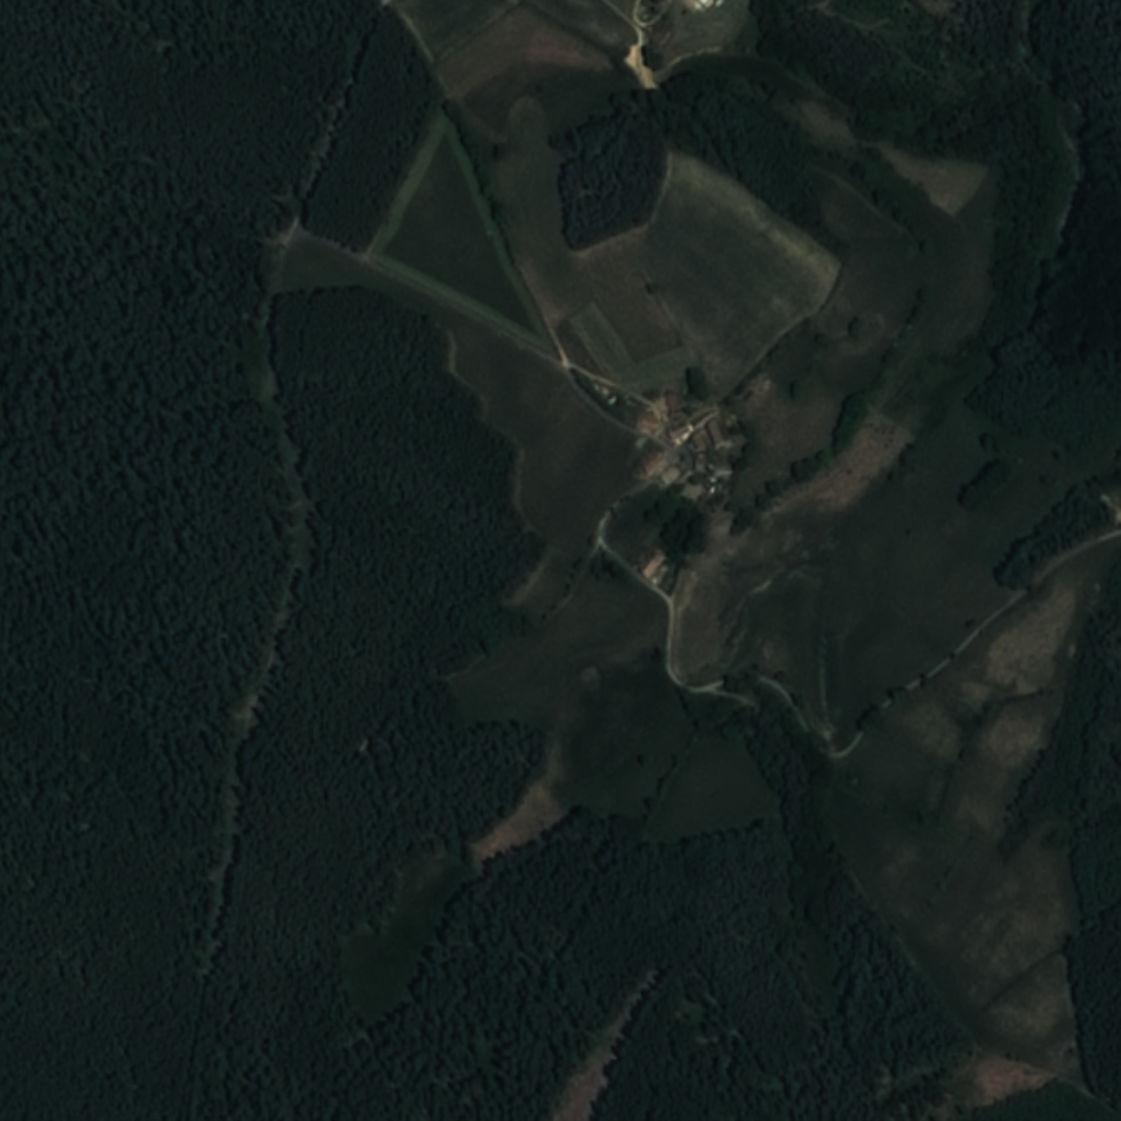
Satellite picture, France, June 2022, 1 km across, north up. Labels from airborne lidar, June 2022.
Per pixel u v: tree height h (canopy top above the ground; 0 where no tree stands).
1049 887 0
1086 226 28
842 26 6
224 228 22
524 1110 22
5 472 34
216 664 22
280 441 32
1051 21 25
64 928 19
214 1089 31
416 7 0
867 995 18
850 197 0
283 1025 32
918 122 6
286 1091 16
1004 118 13
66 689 24
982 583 0
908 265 0
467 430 18
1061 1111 11
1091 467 0
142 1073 18
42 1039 17
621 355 0
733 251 0
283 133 18
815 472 21
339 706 19
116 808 24
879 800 0
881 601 0
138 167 18
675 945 28
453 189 0
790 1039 24
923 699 0
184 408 28
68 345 31
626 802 0
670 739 0
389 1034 30
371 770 30
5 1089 19
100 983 15
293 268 0
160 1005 19
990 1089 0
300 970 21
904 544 0
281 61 18
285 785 20
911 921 0
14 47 17
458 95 0
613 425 0
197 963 21
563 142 9
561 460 0
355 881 29
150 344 28
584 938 25
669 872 27
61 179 7
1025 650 0
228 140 19
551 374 0
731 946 21
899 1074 25
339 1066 25
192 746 30
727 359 0
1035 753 0
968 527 0
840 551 0
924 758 0
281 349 21
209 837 23
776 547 0
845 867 14
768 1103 18
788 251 0
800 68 16
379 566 24
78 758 22
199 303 30
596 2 0
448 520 21
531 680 0
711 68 0
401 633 22
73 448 30
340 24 19
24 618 23
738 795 0
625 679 0
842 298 0
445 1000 30
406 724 28
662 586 0
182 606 25
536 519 0
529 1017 30
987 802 0
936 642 0
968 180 0
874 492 0
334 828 22
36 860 16
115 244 14
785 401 0
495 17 0
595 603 0
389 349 15
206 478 28
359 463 24
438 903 0
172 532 29
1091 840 15
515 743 28
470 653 29
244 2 22
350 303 25
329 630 22
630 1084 25
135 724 32
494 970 31
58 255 28
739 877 23
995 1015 0
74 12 16
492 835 26
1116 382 16
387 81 19
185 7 24
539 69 0
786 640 0
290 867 22
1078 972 19
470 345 0
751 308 0
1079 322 30
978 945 0
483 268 0
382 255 0
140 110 18
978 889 0
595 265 0
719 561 0
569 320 0
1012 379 14
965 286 0
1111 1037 21
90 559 26
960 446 0
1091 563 0
